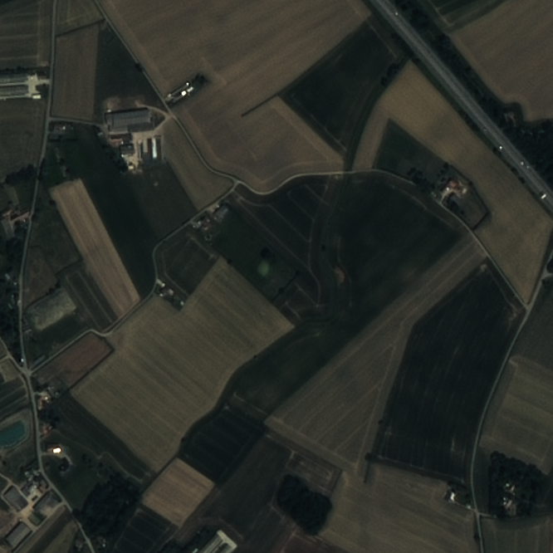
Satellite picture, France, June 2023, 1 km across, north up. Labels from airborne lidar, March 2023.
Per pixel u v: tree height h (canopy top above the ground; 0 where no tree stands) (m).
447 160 0
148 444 0
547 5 0
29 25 0
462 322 0
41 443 0
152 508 0
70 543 0
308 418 0
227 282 0
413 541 0
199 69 0
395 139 0
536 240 0
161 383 0
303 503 19
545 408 0
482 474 0
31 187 0
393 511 0
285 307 0
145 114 0
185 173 0
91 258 0
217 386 0
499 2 0
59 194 0
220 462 0
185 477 0
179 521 0
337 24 0
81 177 0
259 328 0
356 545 0
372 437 0
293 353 0
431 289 0
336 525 0
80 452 0
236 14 0
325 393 0
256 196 0
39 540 0
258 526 0
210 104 0
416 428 0
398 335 0
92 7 0
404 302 0
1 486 0
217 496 0
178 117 0
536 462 0
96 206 0
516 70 0
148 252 0
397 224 0
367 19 0
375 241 0
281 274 0
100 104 0
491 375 0
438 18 0
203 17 0
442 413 0
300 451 0
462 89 0
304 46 0
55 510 0
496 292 0
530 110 0
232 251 0
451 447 0
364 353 0
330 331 0
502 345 0
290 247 0
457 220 0
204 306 0
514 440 0
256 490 0
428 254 0
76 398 0
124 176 0
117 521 15
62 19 0
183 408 0
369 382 0
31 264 0
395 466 0
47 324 0
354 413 0
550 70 0
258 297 0
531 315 0
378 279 0
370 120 0
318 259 0
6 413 0
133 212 0
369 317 0
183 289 0
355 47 0
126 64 0
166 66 0
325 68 0
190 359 0
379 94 0
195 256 0
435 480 0
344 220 0
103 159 0
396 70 16
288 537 0
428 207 0
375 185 0
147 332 0
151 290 0
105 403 0
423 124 0
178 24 0
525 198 0
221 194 0
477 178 0
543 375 0
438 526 0
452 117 0
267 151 0
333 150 0
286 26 0
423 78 0
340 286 0
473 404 0
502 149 0
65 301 0
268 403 0
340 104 0
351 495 0
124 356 0
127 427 0
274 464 0
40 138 0
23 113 0
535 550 0
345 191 0
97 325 0
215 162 0
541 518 0
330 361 0
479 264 0
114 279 0
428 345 0
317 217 0
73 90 0
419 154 0
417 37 0
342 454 0
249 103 0
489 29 0
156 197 0
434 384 0
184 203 0
